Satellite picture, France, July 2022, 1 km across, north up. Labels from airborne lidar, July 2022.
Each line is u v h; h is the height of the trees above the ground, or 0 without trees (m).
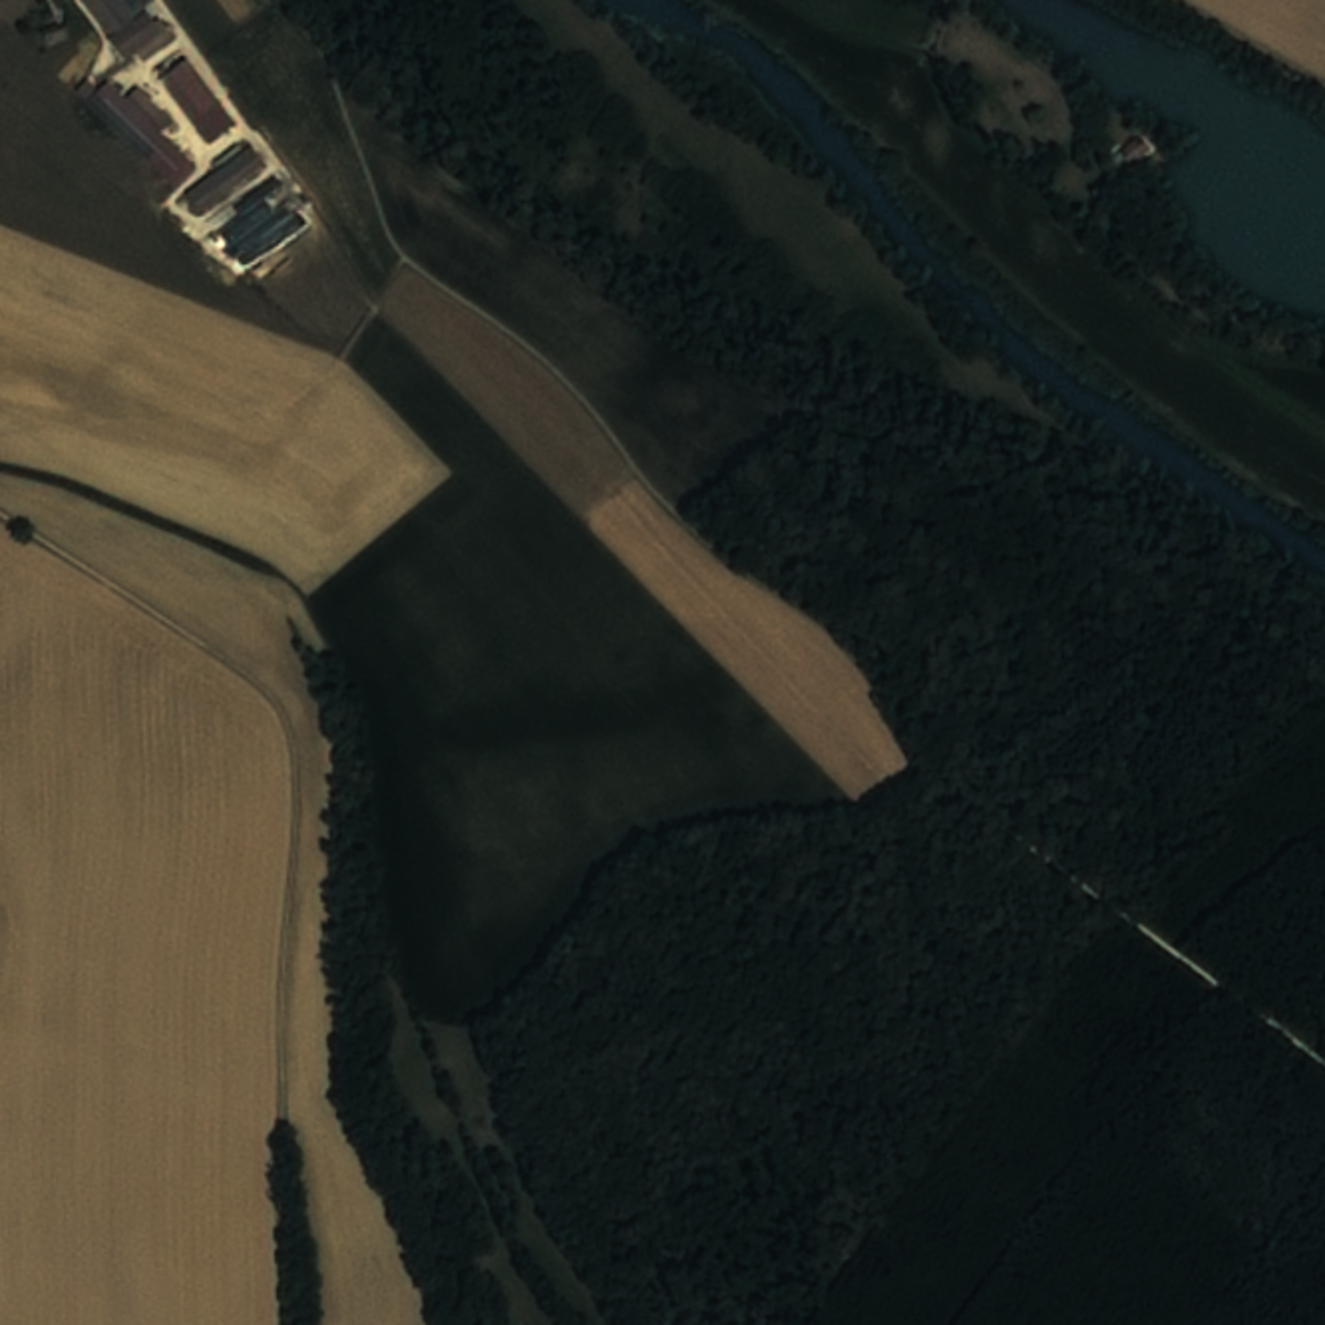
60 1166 0
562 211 23
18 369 0
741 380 16
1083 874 26
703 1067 25
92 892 0
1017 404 0
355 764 17
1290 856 16
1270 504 7
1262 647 25
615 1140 26
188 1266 0
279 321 0
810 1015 25
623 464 0
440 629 0
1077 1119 12
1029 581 21
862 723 0
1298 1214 20
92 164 0
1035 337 8
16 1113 0
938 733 25
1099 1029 9
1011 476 36
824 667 0
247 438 0
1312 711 18
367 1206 0
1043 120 8
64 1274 0
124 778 0
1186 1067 17
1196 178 0
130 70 0
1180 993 16
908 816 26
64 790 0
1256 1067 18
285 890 0
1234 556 35
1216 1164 16
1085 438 10
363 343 0
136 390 0
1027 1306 16
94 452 0
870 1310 9
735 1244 29
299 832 0
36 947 0
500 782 0
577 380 0
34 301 0
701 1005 24
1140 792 24
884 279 0
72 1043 0
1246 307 23
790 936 24
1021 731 25
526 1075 29
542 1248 0
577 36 0
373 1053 19
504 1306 29
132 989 0
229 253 0
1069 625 21
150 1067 0
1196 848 22
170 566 0
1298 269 0
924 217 11
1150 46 0
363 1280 0
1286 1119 20
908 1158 26
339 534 0
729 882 16
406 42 25
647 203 0
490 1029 21
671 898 23
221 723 0
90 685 0
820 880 21
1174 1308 17
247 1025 0
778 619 0
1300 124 0
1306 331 24
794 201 0
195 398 0
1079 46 0
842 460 24
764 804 0
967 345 26
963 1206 9
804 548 28
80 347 0
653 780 0
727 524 29
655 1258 27
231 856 0
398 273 0
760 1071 23
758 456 24
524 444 0
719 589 0
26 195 0
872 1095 25
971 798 24
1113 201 23
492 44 7
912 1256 10
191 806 0
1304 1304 19
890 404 20
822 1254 26
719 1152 22
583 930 24
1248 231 0
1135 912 23
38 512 0
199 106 0
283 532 0
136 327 0
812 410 21
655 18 0
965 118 22
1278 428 0
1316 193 0
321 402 0
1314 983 19
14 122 0
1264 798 7
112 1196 0
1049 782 28
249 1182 0
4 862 0
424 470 0
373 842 17
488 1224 32
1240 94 0
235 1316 0
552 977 21
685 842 25
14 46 0
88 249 0
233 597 0
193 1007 0
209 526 0
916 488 28
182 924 0
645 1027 23
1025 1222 12
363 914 29
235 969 0
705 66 7
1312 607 31
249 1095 0
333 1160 0
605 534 0
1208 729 25
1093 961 12
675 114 0
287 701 0
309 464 0
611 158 5
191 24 0
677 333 19
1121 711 25
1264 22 0
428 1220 23
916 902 27
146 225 0
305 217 0
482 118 6
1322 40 0
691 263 15
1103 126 22
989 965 22
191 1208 0
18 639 0
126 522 0
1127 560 26
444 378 0
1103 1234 17
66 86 0
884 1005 27
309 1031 0
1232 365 0
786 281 6
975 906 21
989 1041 26
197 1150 0
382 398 0
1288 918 18
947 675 24
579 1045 28
